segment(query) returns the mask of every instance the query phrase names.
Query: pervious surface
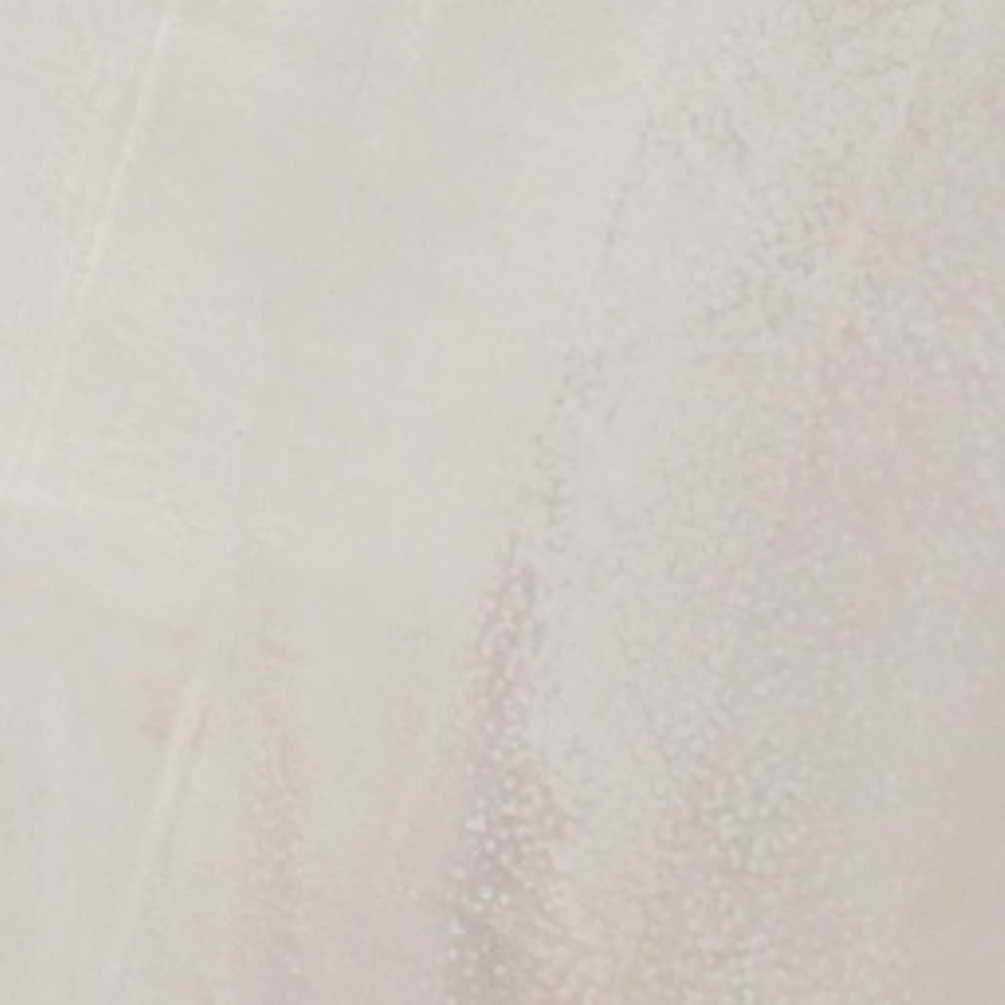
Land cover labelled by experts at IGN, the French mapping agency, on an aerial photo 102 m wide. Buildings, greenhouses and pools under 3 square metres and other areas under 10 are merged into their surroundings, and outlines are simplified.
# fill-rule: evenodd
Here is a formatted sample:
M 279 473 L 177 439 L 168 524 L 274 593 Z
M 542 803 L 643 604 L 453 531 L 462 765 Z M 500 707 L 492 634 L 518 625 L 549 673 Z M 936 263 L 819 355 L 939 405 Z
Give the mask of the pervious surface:
M 1005 1005 L 1005 0 L 0 0 L 0 1005 Z

